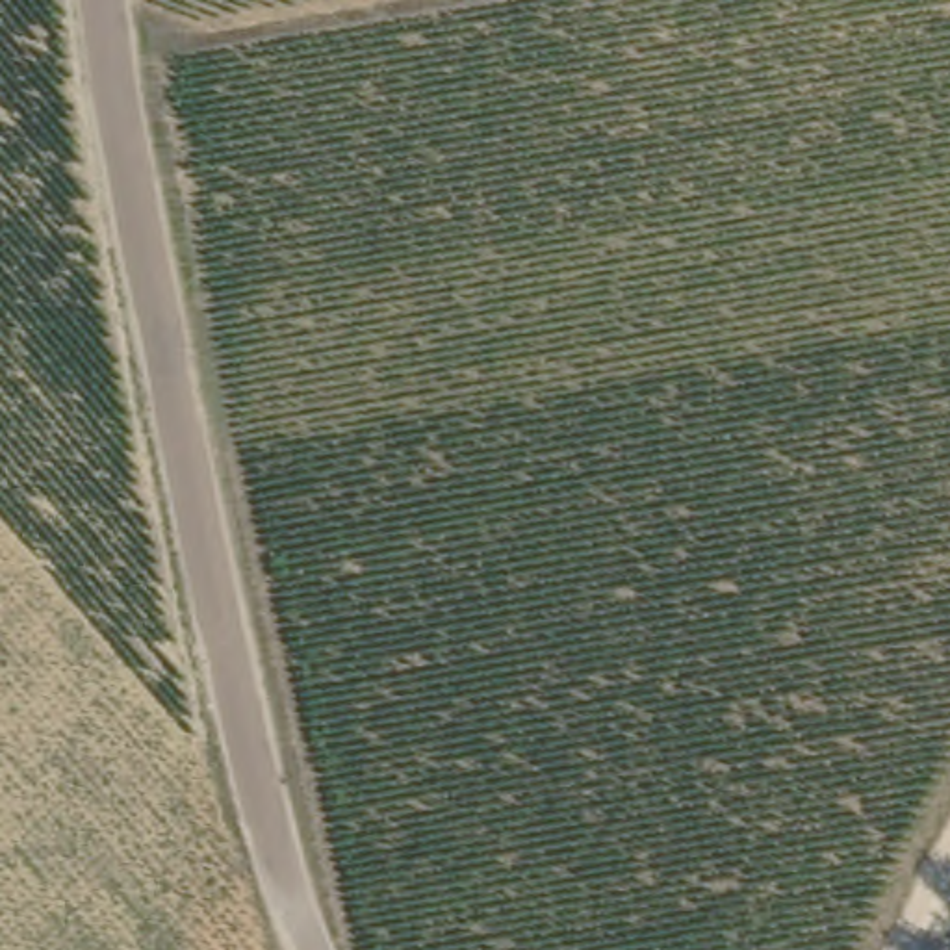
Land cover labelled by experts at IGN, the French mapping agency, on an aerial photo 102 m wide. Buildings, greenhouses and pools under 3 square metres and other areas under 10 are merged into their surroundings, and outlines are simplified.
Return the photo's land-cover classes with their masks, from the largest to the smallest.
<instances>
[{"label":"vineyard","instance_id":"1","mask_svg":"<svg viewBox=\"0 0 950 950\"><path fill-rule=\"evenodd\" d=\"M74 0H0V950H282L249 861V846L230 802V783L215 738L212 713H219V698L208 672L204 638L200 631H193V612L186 597L171 501L160 471L145 334L130 304V278L119 249V219L111 200L100 119L93 93L85 89L82 56L74 48ZM148 126L163 174V200L186 286V308L193 319L200 386L215 427L223 497L230 508L241 583L275 713L282 776L293 798L315 898L338 950H891L879 928L905 924V902L920 883L913 854H935L943 828L950 824V0H137Z\"/></svg>","mask_w":950,"mask_h":950},{"label":"impervious surface","instance_id":"2","mask_svg":"<svg viewBox=\"0 0 950 950\"><path fill-rule=\"evenodd\" d=\"M74 48L82 56L85 89L93 93L100 119L111 200L119 219V249L130 278V304L145 334L160 471L171 501L186 597L193 612V631H200L204 638L208 672L219 698V713H212L215 738L230 783V802L249 846V861L282 950H338L315 898L293 798L282 776L275 713L241 583L230 508L223 497L215 427L200 386L193 319L186 308V286L163 200V174L148 126L137 0H74Z\"/></svg>","mask_w":950,"mask_h":950},{"label":"pervious surface","instance_id":"3","mask_svg":"<svg viewBox=\"0 0 950 950\"><path fill-rule=\"evenodd\" d=\"M920 883L905 902V924L879 928L891 950H950V824L943 828L935 854H913Z\"/></svg>","mask_w":950,"mask_h":950}]
</instances>
